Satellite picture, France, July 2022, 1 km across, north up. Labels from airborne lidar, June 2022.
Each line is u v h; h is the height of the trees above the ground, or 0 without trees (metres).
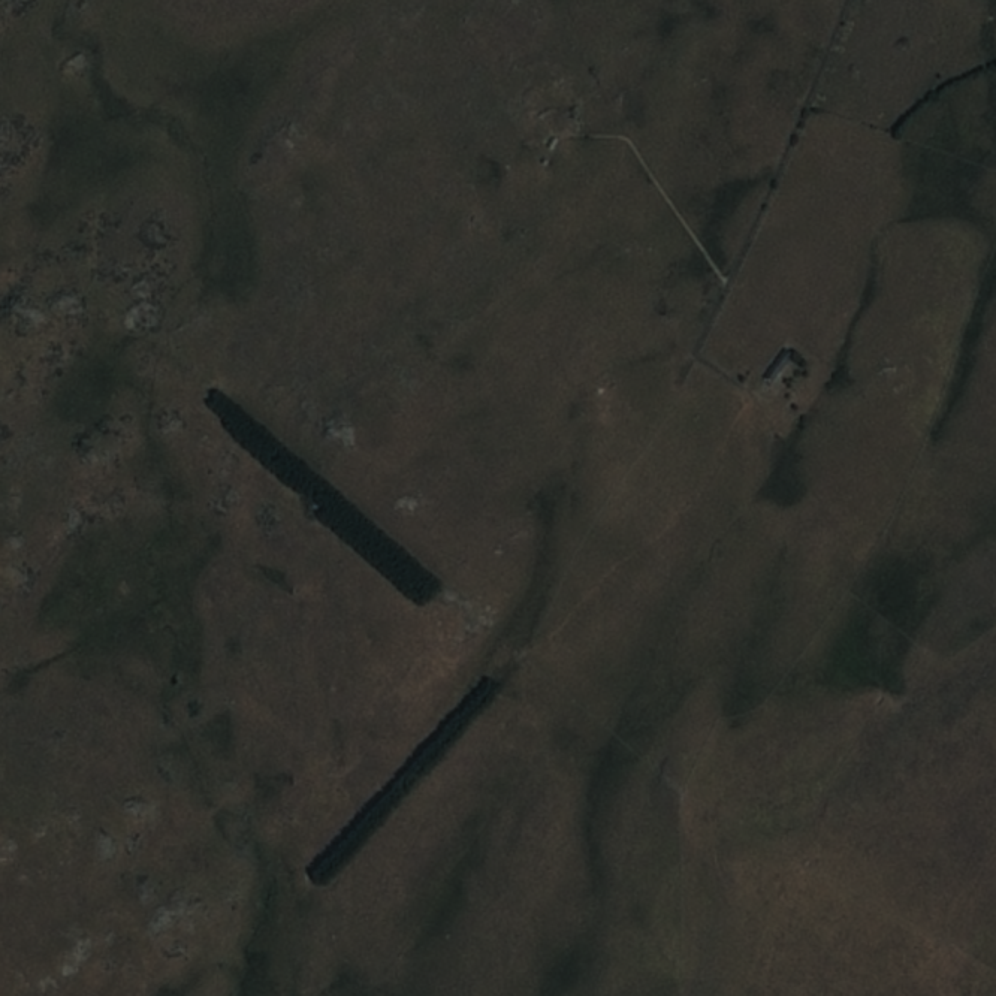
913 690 0
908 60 0
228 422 18
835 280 0
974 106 0
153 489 0
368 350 0
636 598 0
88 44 0
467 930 0
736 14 0
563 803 0
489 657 0
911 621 0
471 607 0
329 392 0
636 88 0
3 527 0
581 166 0
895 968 0
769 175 0
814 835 0
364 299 0
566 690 0
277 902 0
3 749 0
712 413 0
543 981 0
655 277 0
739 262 0
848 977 0
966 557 0
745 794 0
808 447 0
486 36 0
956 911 0
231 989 0
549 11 0
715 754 0
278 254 0
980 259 0
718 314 0
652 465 0
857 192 0
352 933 0
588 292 0
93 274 0
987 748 0
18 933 0
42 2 0
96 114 0
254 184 0
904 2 0
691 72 0
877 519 0
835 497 0
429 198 0
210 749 0
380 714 0
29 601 0
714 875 0
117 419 0
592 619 0
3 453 0
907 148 0
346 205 0
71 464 0
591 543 0
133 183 0
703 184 0
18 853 0
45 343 0
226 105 0
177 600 0
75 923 0
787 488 0
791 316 0
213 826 0
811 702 0
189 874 0
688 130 0
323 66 0
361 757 0
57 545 0
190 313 0
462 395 0
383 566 18
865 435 0
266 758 0
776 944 0
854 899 0
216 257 0
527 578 0
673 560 0
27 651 0
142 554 0
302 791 0
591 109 0
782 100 0
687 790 0
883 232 0
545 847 0
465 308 0
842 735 0
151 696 0
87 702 0
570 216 0
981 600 0
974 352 0
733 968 0
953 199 0
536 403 0
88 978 0
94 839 0
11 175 0
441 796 0
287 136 0
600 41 0
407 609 0
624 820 0
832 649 0
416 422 0
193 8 0
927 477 0
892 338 0
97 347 0
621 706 0
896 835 0
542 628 0
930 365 0
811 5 0
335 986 0
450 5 0
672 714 0
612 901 0
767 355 0
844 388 0
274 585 0
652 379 0
